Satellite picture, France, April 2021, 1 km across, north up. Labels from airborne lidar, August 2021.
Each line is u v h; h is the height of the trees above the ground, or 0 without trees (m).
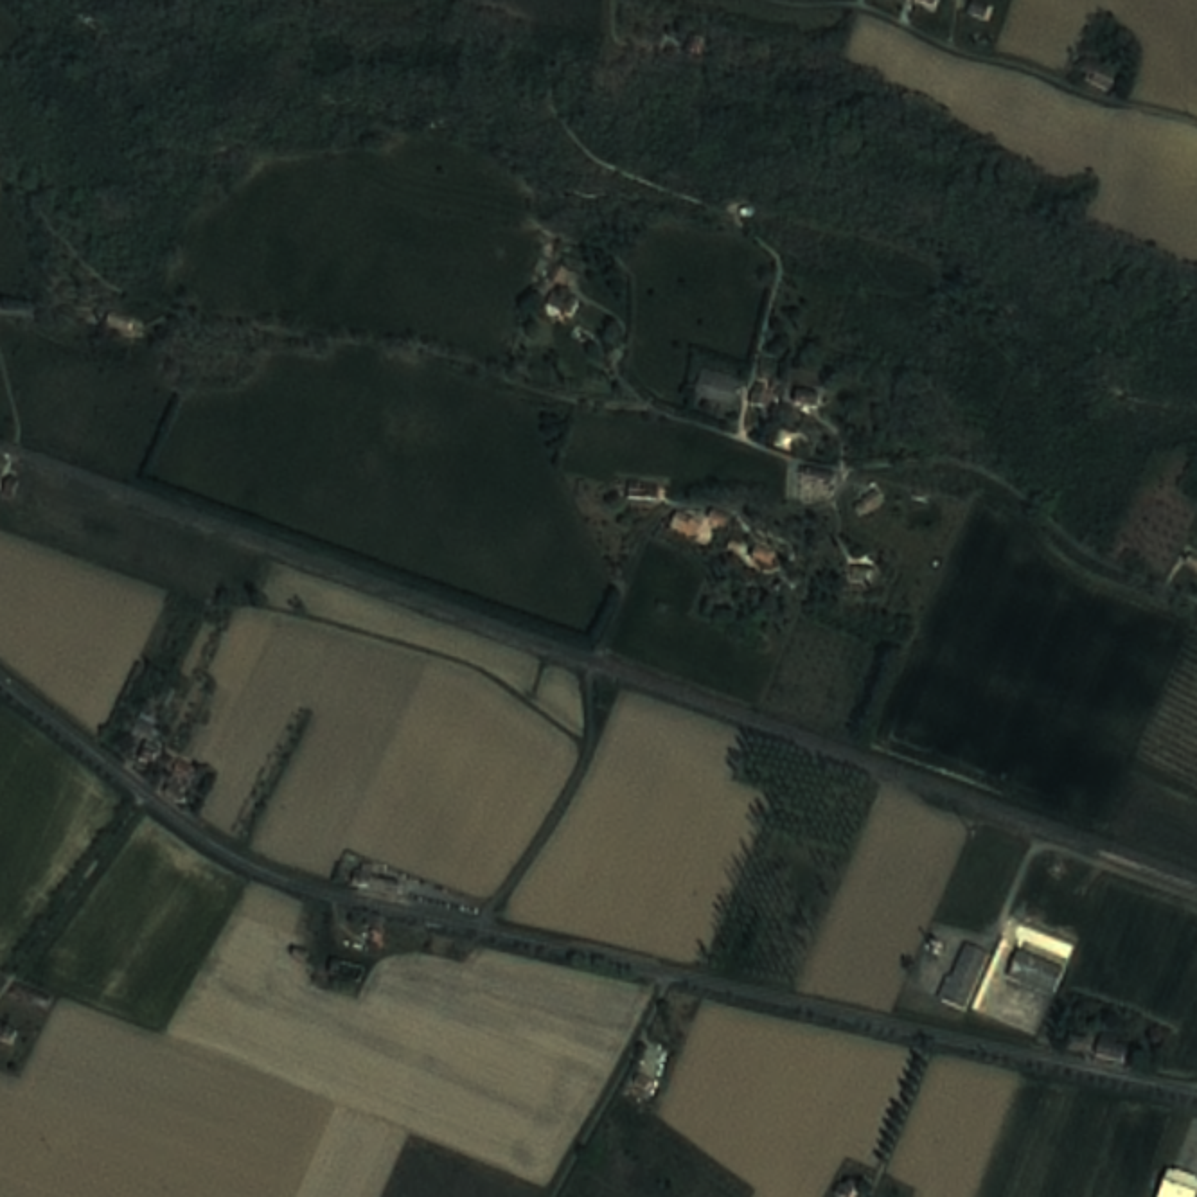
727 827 0
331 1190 0
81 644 0
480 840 0
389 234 0
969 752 0
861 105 19
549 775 0
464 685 0
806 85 6
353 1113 0
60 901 10
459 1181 0
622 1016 0
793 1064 0
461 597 9
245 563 0
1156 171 0
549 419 10
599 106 16
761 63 8
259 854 0
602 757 0
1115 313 17
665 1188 0
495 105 15
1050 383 6
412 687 0
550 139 10
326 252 0
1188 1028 0
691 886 0
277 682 0
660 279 0
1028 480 6
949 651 0
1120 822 0
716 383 0
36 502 0
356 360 0
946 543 7
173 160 13
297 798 0
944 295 13
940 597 0
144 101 5
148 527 0
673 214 15
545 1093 0
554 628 11
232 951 0
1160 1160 0
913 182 10
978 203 18
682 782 0
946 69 0
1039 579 0
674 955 0
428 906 0
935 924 0
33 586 0
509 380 16
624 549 6
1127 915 0
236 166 17
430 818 0
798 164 16
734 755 0
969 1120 0
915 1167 0
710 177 5
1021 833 0
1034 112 0
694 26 13
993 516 0
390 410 0
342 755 0
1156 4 0
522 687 0
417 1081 0
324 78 10
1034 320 9
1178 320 9
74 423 0
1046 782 0
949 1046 0
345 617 0
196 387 12
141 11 9
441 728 0
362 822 0
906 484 15
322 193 0
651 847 0
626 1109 0
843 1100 0
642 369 0
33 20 6
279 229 0
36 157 8
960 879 0
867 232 14
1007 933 0
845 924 0
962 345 8
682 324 0
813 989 0
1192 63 0
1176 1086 0
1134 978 0
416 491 0
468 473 0
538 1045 0
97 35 13
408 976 0
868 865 0
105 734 10
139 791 0
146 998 0
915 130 22
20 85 7
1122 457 6
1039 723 0
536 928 0
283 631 0
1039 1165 0
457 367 13
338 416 0
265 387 0
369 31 10
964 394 9
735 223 17
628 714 0
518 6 0
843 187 14
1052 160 0
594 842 0
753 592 6
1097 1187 0
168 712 6
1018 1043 0
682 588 0
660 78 18
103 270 12
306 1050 0
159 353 14
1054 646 0
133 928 0
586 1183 0
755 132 12
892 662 24
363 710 0
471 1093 0
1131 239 10
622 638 0
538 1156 0
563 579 0
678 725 0
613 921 0
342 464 0
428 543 0
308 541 10
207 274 0
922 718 0
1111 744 0
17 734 0
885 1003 0
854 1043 0
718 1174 0
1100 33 10
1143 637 0
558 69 15
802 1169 0
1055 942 0
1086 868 0
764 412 11
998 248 8
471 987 0
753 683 0
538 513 0
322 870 0
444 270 0
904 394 20
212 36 8
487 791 0
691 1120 0
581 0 0
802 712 9
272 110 7
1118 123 0
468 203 0
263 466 0
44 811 0
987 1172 0
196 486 0
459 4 12
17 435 0
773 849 19
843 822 17
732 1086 0
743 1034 0
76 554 0
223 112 9
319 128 18
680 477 0
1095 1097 0
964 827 0
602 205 15
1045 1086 0
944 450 19
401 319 0
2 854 0
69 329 15
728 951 16
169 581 0
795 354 7
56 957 0
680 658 0
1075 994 6
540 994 0
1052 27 0
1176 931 0
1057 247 19
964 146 15
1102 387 10
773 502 19
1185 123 0
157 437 6
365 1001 0
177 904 0
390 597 0
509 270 0
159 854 0
